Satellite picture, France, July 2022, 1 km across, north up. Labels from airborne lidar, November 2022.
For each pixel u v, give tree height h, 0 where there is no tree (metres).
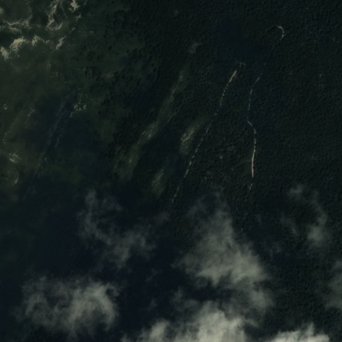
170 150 14
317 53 12
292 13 17
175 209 18
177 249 17
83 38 0
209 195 14
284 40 14
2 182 0
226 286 9
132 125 13
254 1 16
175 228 17
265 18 17
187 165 11
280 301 16
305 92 13
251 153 0
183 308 9
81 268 14
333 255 28
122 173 0
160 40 13
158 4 15
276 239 18
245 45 11
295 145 19
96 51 0
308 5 19
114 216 10
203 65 12
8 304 0
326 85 13
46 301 7
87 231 0
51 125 0
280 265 18
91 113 0
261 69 14
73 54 0
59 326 16
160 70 11
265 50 19
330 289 6
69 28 0
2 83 0
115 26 8
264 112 16
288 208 26
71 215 0
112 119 0
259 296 21
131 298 13
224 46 12
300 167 16
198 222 14
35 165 0
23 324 0
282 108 16
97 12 0
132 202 10
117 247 14
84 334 13
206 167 9
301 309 26
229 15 16
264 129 10
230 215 16
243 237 21
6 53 0
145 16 15
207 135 14
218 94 14
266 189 12
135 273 17
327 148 14
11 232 0
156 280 15
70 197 0
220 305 12
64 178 0
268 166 11
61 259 0
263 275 27
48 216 0
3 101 0
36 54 0
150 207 6
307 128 11
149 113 12
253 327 25
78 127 0
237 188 11
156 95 16
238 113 7
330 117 11
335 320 19
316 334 21
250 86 12
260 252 22
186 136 0
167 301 9
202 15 20
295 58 11
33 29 0
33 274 0
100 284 14
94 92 0
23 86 0
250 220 14
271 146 10
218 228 16
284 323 20
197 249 12
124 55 0
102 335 15
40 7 0
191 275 14
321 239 13
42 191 0
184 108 14
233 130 9
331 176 18
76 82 0
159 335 19
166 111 0
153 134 0
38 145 0
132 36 14
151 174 13
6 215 0
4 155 0
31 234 0
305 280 16
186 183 15
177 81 8
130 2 9
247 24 15
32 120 0
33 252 0
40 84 0
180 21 18
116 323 12
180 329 17
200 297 15
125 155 8
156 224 14
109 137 0
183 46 12
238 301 9
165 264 15
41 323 10
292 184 20
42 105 0
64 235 0
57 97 0
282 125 10
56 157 0
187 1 20
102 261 13
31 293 0
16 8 0
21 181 0
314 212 24
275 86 17
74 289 15
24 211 0
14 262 0
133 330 17
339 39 17
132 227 7
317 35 14
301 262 15
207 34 19
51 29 0
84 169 0
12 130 0
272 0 16
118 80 12
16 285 0
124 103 9
